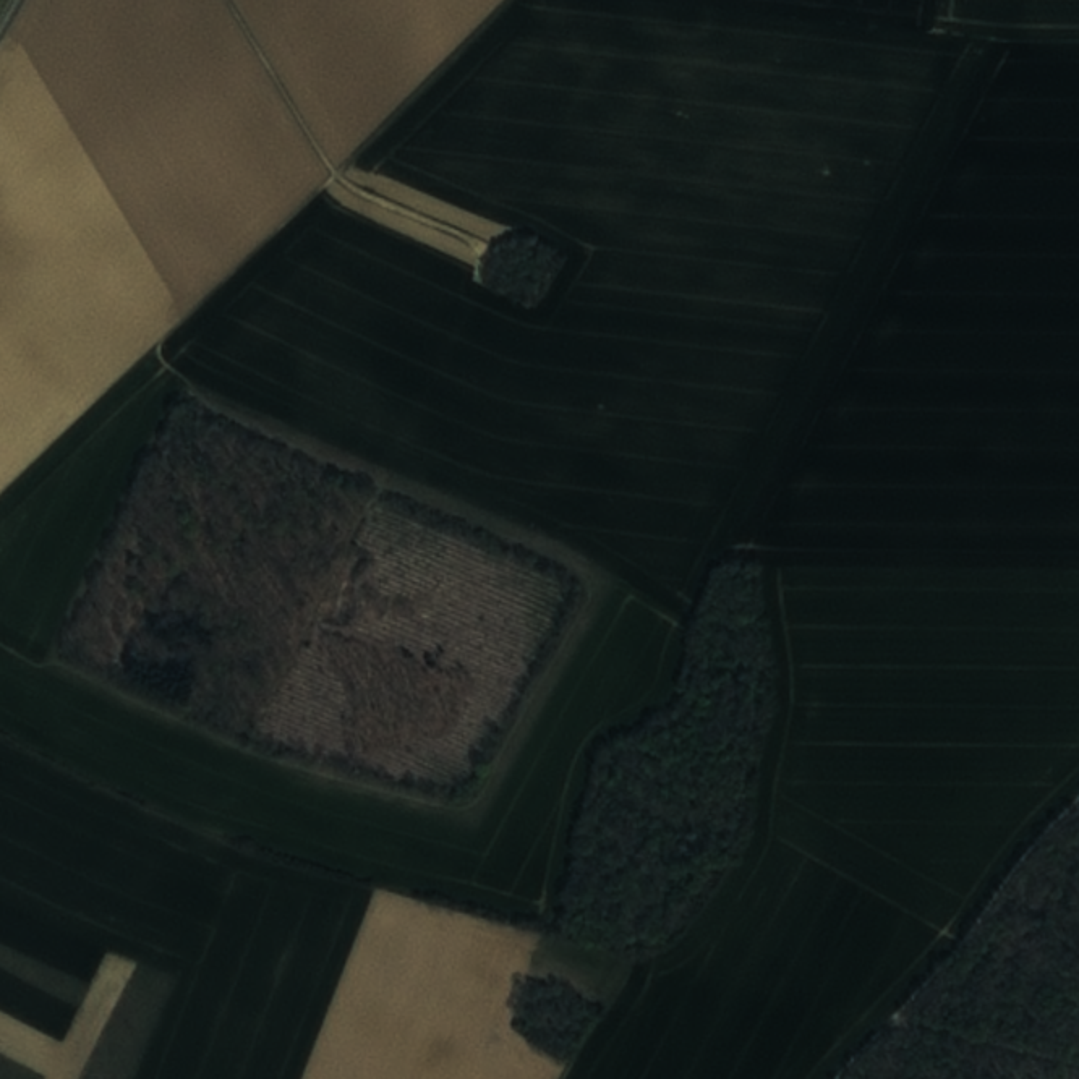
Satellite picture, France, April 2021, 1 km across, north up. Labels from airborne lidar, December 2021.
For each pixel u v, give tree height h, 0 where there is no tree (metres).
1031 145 0
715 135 0
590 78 0
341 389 0
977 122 0
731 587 19
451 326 0
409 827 0
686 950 0
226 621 24
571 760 0
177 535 24
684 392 0
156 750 0
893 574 0
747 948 0
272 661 26
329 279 0
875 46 0
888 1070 22
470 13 0
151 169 0
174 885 0
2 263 0
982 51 0
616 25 0
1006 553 0
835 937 0
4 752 0
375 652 8
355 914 0
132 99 0
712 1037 0
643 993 0
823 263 0
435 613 0
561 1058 16
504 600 0
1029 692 0
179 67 0
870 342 0
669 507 0
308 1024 0
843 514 0
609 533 0
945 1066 23
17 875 0
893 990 0
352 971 0
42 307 0
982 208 0
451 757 0
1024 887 23
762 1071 0
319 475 15
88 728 0
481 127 0
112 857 0
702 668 18
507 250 15
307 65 0
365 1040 0
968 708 0
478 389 0
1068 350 0
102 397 0
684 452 0
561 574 17
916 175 0
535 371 0
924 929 0
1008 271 0
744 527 0
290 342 0
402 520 0
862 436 0
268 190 0
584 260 0
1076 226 0
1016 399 0
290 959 0
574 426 0
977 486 0
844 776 0
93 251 0
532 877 0
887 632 0
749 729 24
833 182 0
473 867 0
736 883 0
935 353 0
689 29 0
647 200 0
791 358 0
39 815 0
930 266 0
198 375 0
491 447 0
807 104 0
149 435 0
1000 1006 25
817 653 0
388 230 0
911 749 0
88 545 0
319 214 0
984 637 0
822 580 0
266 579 21
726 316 0
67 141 0
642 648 0
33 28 0
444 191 0
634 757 24
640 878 22
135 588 16
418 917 0
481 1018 0
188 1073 0
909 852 0
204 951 0
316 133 0
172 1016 0
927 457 0
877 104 0
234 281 0
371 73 0
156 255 0
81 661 17
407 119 0
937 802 0
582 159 0
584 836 16
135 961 0
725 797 16
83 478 0
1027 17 0
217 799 0
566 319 0
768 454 0
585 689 0
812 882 0
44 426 0
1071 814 19
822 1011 0
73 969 0
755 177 0
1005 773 0
